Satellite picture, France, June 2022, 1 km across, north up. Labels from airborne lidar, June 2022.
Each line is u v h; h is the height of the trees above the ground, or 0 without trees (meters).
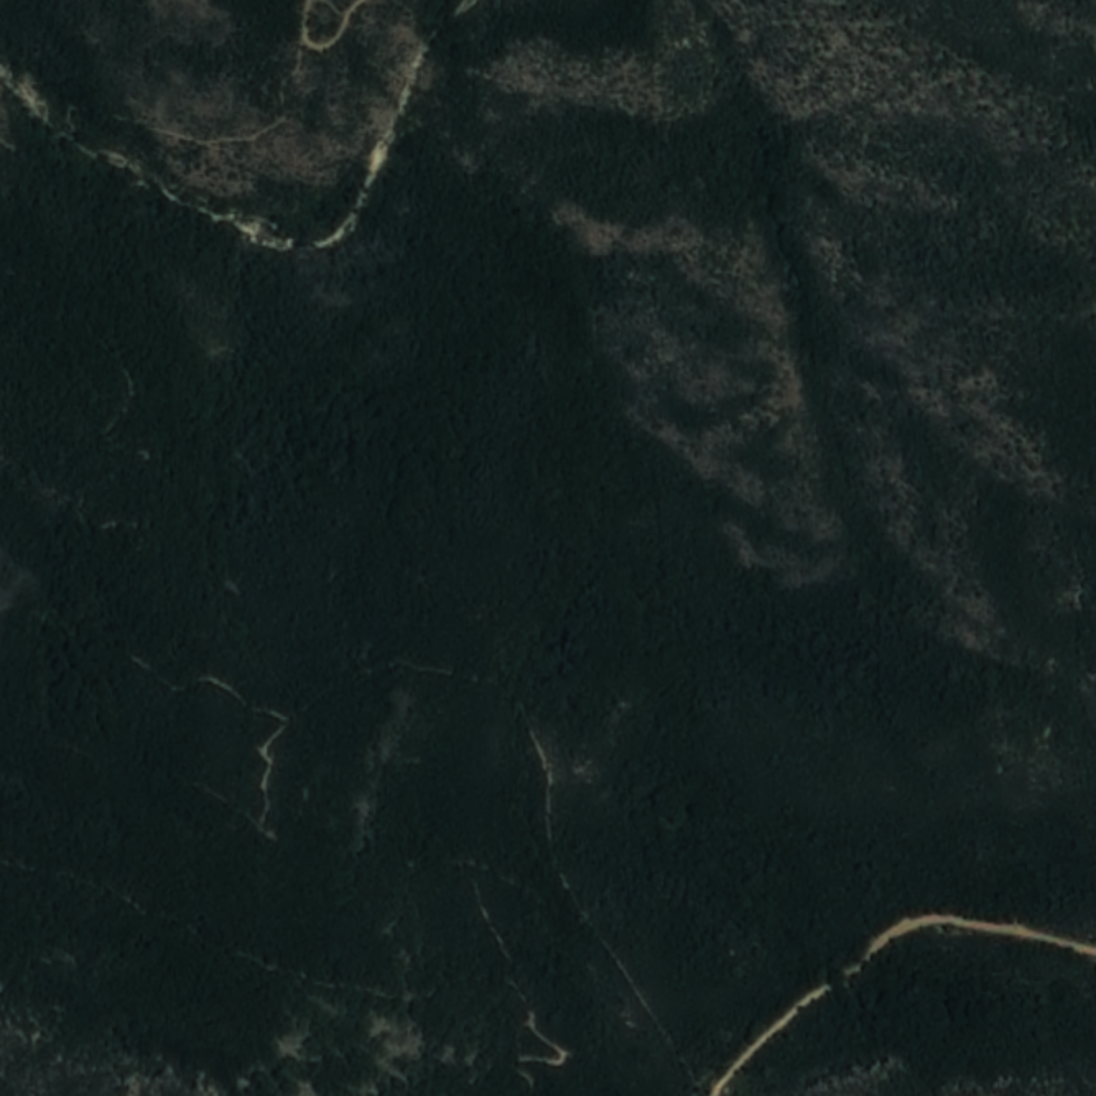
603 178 8
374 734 6
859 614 8
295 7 9
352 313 7
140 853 13
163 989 20
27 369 7
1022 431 6
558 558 16
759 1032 14
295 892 14
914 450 8
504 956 13
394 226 8
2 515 6
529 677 12
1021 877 6
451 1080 10
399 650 7
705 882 8
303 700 7
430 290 8
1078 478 7
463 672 6
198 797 6
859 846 7
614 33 9
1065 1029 10
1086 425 7
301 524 7
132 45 6
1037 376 9
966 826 7
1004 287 7
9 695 8
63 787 6
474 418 11
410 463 16
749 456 7
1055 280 8
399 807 11
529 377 8
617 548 9
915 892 7
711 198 8
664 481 6
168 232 12
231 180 7
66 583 15
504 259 7
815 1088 8
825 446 9
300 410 12
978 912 8
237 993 16
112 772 6
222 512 8
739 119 12
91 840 12
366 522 6
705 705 9
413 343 6
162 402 7
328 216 20
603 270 7
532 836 6
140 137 7
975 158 6
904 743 7
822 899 7
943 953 8
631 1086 7
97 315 13
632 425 8
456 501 6
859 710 7
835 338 7
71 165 16
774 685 6
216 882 16
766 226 9
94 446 9
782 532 6
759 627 7
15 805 10
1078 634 8
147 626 7
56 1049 11
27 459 8
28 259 8
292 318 8
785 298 8
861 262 14
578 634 22
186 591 7
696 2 10
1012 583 6
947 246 7
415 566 10
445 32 10
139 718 6
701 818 17
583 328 8
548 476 17
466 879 6
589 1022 6
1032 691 7
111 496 7
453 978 11
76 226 8
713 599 6
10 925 11
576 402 15
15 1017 10
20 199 14
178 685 8
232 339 6
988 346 6
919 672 8
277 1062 10
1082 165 8
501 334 18
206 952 13
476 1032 7
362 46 6
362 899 11
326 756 6
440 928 10
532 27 6
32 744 8
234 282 12
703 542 6
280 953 12
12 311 9
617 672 12
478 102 6
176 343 8
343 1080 11
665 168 7
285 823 7
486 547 7
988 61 6
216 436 15
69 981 9
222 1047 14
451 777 6
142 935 17
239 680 8
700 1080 7
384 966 9
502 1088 10
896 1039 7
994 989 11
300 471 11
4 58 16
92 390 8
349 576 8
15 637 6
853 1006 12
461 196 12
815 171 7
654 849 14
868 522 8
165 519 15
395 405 17
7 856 8
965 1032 7
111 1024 15
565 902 7
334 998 8
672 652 16
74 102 11
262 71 11
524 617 12
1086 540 7
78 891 8
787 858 9
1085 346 6
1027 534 6
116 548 7
